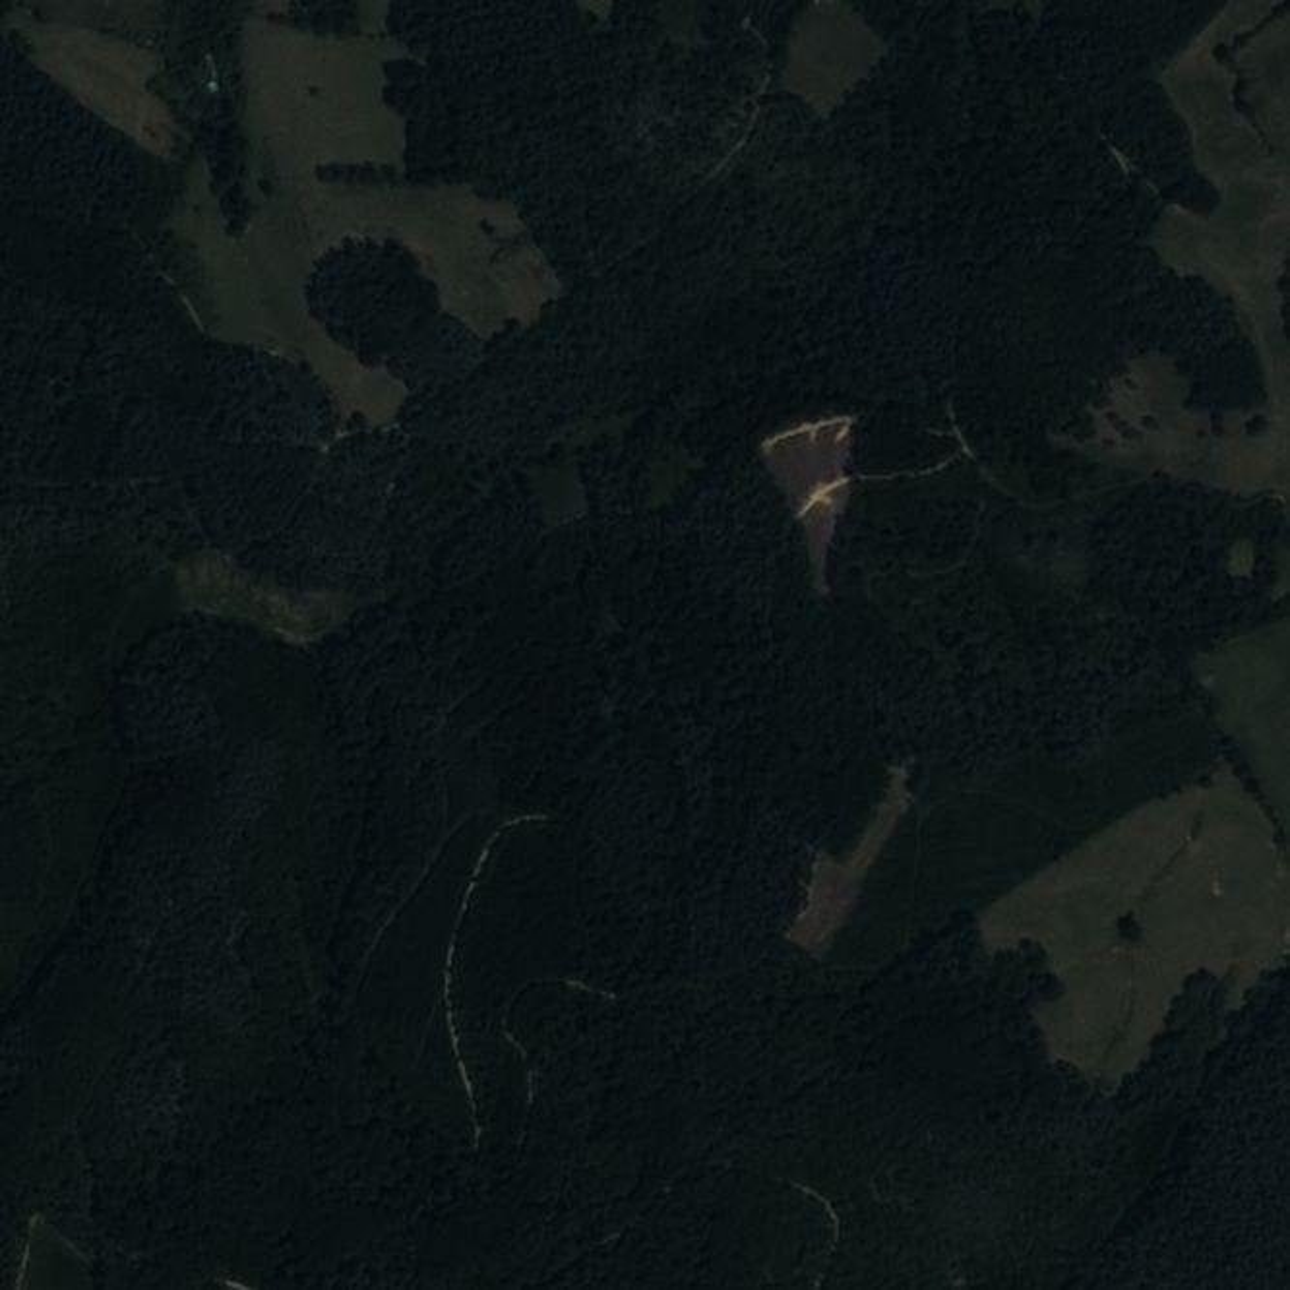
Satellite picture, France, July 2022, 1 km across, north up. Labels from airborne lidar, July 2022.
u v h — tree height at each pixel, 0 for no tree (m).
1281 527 9
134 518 8
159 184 9
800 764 17
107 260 12
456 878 6
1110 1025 0
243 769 24
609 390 20
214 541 26
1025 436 8
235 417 12
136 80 0
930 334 26
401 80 27
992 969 11
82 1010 16
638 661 29
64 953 20
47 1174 15
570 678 12
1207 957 0
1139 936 11
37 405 10
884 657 19
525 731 10
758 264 7
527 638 7
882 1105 19
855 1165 15
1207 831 0
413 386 17
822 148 12
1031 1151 16
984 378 15
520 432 24
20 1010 20
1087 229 17
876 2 13
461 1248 22
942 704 20
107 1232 24
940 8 6
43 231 16
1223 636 17
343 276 15
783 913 24
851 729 18
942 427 12
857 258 18
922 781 21
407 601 12
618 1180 7
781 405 17
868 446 17
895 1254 11
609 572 15
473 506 31
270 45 0
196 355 18
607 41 16
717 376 6
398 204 0
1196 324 13
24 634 11
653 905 20
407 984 7
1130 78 13
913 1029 25
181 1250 24
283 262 0
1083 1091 28
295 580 16
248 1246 23
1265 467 0
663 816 26
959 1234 16
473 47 27
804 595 17
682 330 15
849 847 20
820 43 0
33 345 22
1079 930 0
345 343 16
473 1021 8
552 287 0
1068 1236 13
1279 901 0
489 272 0
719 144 5
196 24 9
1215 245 0
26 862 16
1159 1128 9
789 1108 18
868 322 30
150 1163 23
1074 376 11
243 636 19
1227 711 0
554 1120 8
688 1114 16
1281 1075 20
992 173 17
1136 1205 6
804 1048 14
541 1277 14
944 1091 24
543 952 9
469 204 0
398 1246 15
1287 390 0
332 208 0
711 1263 17
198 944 17
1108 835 0
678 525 23
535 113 11
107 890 14
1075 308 19
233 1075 18
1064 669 9
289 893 17
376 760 15
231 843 18
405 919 7
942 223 14
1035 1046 19
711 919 29
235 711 16
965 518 11
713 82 7
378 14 0
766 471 22
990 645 10
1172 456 0
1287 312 11
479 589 21
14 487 8
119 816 11
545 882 11
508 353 16
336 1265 24
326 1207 24
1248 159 0
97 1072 13
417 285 18
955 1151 18
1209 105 0
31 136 26
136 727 36
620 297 20
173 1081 18
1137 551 12
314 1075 17
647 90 9
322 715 12
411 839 19
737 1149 16
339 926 20
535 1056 10
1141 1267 12
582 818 20
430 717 13
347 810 17
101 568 9
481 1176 13
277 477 19
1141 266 14
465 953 6
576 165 15
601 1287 19
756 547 20
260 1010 17
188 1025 18
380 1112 16
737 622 13
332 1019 25
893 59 9
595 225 8
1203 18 11
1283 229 0
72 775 7
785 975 17
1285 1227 19
